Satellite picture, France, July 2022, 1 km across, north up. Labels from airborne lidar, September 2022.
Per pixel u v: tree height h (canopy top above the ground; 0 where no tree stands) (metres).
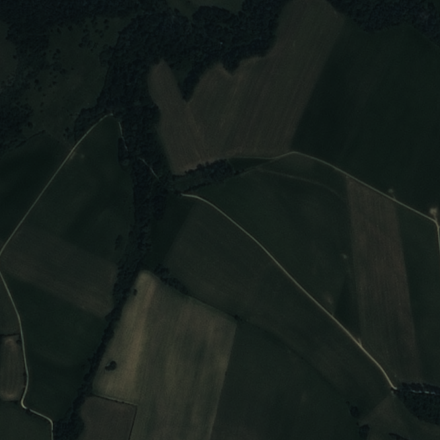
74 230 0
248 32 17
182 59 9
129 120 18
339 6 23
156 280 0
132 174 6
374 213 0
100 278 0
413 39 0
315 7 0
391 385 0
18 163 0
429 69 0
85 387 14
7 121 14
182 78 0
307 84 0
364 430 12
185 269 0
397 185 0
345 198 0
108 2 23
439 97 0
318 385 0
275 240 0
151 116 11
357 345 0
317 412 0
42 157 0
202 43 16
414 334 0
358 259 0
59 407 0
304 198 0
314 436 0
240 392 0
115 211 0
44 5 26
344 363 0
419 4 21
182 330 0
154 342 0
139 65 25
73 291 0
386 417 0
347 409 0
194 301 0
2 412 0
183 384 0
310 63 0
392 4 18
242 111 0
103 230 0
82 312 0
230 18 16
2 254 0
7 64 0
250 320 0
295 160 0
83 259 0
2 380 0
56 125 0
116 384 0
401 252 0
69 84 0
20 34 11
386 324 0
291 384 0
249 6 18
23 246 0
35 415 8
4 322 0
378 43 0
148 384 0
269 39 23
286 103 0
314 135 0
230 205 0
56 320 0
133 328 0
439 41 7
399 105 0
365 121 0
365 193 0
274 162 0
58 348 0
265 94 0
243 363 0
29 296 0
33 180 0
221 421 0
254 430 0
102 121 0
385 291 0
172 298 0
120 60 6
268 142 0
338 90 0
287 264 0
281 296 0
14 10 23
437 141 0
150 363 0
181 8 0
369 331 0
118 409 0
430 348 0
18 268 0
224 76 0
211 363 0
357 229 0
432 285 0
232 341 0
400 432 0
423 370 0
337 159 0
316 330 0
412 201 0
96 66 0
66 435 23
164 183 20
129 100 17
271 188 0
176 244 0
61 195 0
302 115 0
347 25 0
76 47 0
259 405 0
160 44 13
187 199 0
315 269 0
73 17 19
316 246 0
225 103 0
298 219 0
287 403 0
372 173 0
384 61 0
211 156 0
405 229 0
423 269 0
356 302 0
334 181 0
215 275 0
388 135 0
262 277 0
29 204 0
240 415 0
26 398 0
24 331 0
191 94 8
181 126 0
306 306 0
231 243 0
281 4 20
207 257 0
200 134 0
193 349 0
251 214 0
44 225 0
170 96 0
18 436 0
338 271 0
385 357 0
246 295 0
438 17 21
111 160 0
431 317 0
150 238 13
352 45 0
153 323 0
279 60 0
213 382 0
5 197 0
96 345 0
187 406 0
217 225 0
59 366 0
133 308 0
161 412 0
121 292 14
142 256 9
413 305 0
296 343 0
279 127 0
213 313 0
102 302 0
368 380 0
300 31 0
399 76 0
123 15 18
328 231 0
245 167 0
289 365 0
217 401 0
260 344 0
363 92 0
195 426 0
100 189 0
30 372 0
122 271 9
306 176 0
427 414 8
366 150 0
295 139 0
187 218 0
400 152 0
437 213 0
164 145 0
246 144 0
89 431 0
